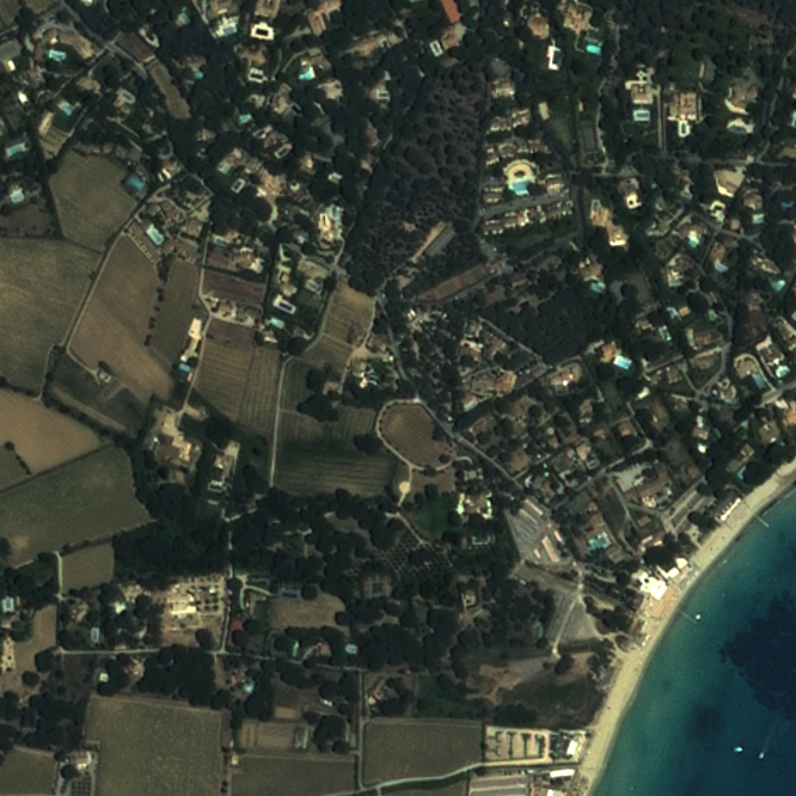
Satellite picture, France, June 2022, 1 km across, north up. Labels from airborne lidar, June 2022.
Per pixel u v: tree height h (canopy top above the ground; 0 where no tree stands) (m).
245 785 0
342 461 0
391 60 14
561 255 7
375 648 15
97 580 0
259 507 10
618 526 0
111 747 0
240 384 0
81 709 11
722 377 6
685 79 0
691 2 12
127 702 0
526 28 11
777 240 12
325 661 7
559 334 14
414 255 6
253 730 0
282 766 0
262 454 12
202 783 0
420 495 9
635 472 0
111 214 0
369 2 15
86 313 0
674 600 0
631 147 11
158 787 0
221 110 13
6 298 0
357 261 10
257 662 6
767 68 11
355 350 0
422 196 11
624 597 7
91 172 0
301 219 12
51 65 13
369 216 9
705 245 6
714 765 0
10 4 0
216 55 13
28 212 0
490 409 12
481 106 11
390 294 11
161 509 15
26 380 0
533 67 13
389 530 13
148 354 0
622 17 14
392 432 0
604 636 0
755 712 0
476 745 0
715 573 0
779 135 11
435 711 0
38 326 0
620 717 0
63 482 0
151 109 8
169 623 0
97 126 10
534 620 6
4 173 10
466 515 5
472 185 10
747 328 10
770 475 13
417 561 13
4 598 14
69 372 0
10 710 14
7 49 0
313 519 15
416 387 9
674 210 7
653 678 0
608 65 10
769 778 0
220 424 8
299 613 0
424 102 12
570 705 0
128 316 0
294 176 8
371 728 0
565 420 11
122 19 12
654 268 7
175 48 14
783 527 0
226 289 0
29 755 0
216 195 10
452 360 8
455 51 12
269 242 12
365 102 13
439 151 10
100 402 0
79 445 0
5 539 7
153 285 0
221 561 10
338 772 0
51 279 0
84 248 0
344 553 12
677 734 0
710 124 11
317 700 0
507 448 10
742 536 0
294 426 0
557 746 0
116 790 0
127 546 12
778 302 7
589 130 0
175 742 0
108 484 0
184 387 0
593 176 11
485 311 11
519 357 11
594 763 0
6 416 0
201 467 10
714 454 13
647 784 0
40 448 0
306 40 10
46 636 0
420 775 0
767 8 11
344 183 12
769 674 0
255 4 11
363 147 12
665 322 15
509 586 11
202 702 14
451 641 12
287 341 6
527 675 0
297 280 6
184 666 15
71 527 0
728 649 0
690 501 0
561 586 0
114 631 16
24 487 0
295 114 0
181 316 0
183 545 10
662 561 14
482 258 9
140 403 0
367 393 11
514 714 10
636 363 6
